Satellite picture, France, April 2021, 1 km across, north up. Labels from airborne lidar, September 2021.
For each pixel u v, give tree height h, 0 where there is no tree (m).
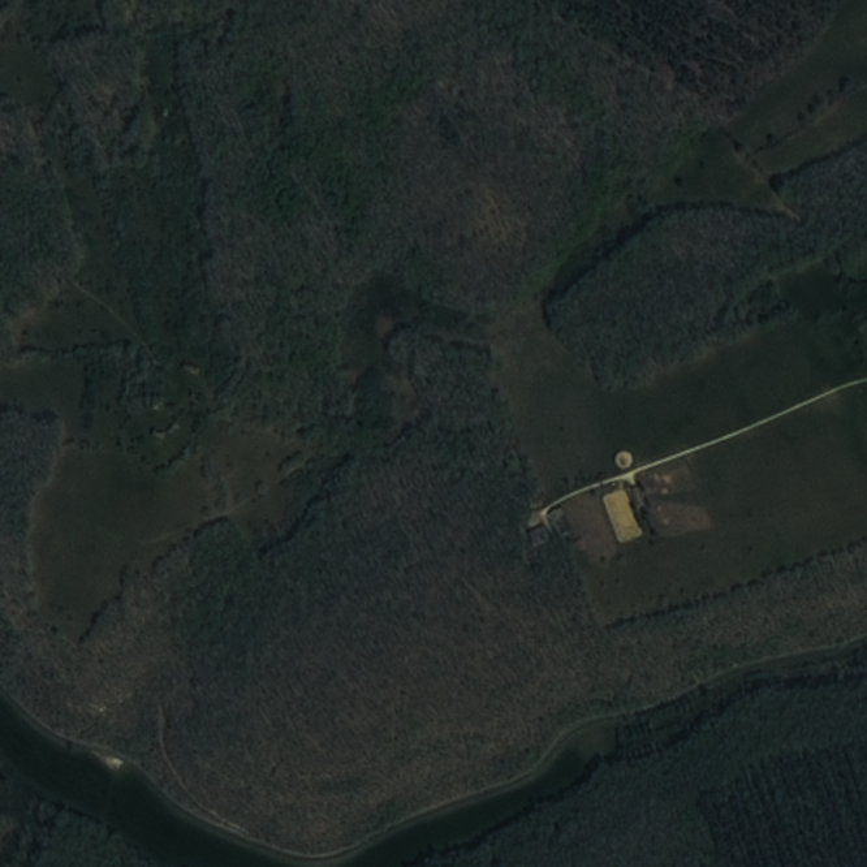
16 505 20
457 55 19
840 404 0
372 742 15
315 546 18
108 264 0
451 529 16
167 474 9
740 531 0
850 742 16
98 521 0
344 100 19
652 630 19
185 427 0
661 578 0
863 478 0
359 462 18
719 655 17
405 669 15
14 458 18
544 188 18
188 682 9
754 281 25
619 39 16
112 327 0
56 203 22
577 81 18
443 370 21
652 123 20
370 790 14
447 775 15
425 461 14
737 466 0
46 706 7
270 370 14
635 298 21
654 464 0
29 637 10
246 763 10
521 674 15
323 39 16
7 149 15
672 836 16
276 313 15
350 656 13
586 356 21
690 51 16
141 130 22
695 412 0
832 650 16
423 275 22
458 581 12
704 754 19
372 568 20
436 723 13
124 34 15
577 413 0
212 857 0
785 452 0
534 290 7
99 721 10
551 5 12
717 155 0
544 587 17
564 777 0
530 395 0
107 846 19
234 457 0
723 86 15
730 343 18
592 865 15
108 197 7
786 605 17
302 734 12
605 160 22
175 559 17
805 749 16
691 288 22
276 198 23
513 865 19
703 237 21
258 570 18
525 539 15
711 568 0
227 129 17
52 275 22
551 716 16
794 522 0
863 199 21
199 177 11
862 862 16
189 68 22
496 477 11
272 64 15
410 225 17
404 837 0
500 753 12
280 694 16
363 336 0
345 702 12
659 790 19
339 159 22
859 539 0
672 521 0
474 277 19
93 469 0
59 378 0
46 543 0
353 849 17
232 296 20
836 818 18
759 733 21
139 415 11
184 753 12
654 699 15
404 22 23
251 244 21
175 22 14
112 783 0
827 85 0
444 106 18
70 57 20
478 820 0
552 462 0
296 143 18
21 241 18
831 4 13
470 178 14
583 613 16
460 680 14
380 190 21
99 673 16
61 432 17
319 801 13
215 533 19
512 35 20
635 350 24
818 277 0
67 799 0
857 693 20
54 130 9
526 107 18
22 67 0
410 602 13
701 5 15
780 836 19
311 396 21
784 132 0
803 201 24
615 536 0
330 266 26
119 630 15
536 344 0
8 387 0
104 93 23
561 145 18
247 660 16
